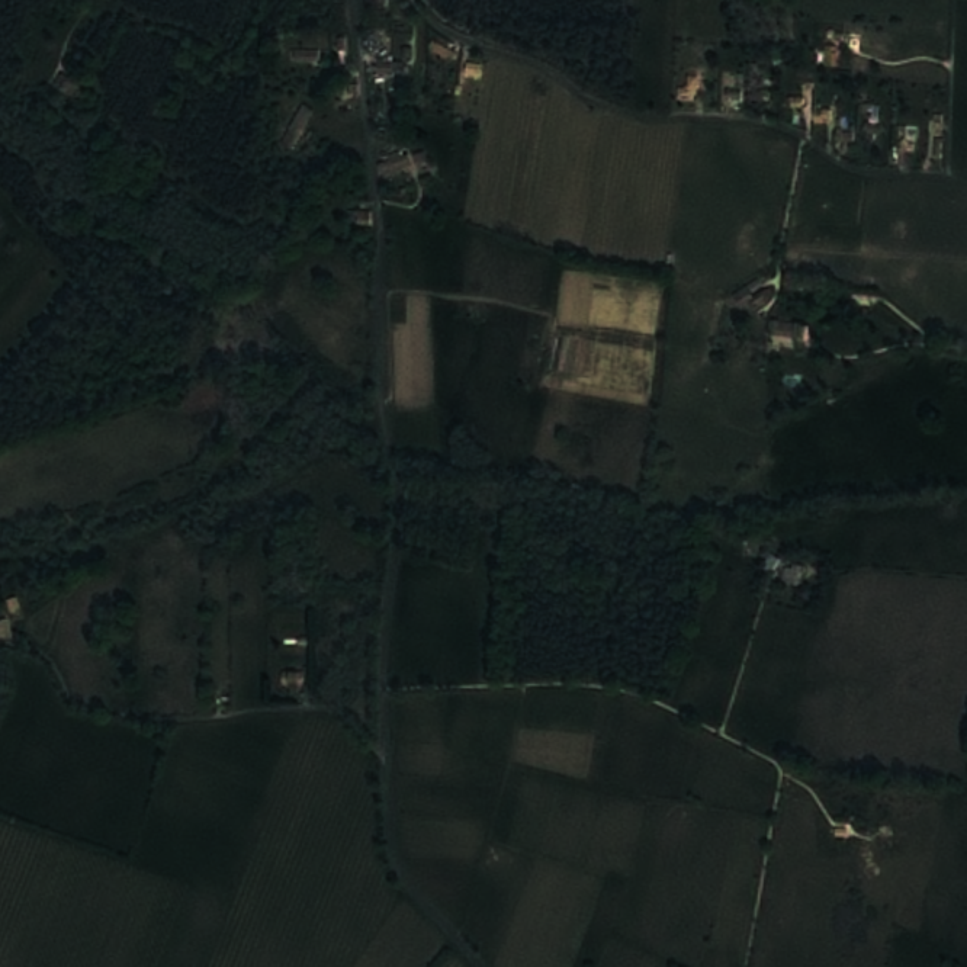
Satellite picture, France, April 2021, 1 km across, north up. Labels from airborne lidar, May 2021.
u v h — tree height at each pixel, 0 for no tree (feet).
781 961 0
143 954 0
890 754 0
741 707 0
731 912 0
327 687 47
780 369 32
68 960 0
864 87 54
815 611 27
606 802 0
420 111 58
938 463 0
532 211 0
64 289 0
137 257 84
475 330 0
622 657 80
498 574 57
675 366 0
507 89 0
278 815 0
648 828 0
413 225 0
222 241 68
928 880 0
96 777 0
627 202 0
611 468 0
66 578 72
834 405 0
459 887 0
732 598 0
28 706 0
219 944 0
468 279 0
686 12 0
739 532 84
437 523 70
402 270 0
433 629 0
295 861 0
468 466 60
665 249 0
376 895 0
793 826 0
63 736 0
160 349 40
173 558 0
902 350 66
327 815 0
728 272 0
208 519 58
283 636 0
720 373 0
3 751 0
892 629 0
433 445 0
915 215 0
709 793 0
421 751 0
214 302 64
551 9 31
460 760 0
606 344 0
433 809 0
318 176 73
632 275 35
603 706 0
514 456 0
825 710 0
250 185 27
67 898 0
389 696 50
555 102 0
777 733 0
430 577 0
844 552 0
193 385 64
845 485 0
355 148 0
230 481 34
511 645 64
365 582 48
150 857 0
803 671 0
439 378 0
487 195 0
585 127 0
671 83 0
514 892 0
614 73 45
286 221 83
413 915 0
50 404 31
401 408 0
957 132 0
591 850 0
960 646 0
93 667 0
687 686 0
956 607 0
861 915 20
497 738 0
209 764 0
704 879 0
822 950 0
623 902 0
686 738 0
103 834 0
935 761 0
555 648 68
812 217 0
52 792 0
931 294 0
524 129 0
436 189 0
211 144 35
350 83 77
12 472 0
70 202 45
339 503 0
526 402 0
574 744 0
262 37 33
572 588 77
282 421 67
